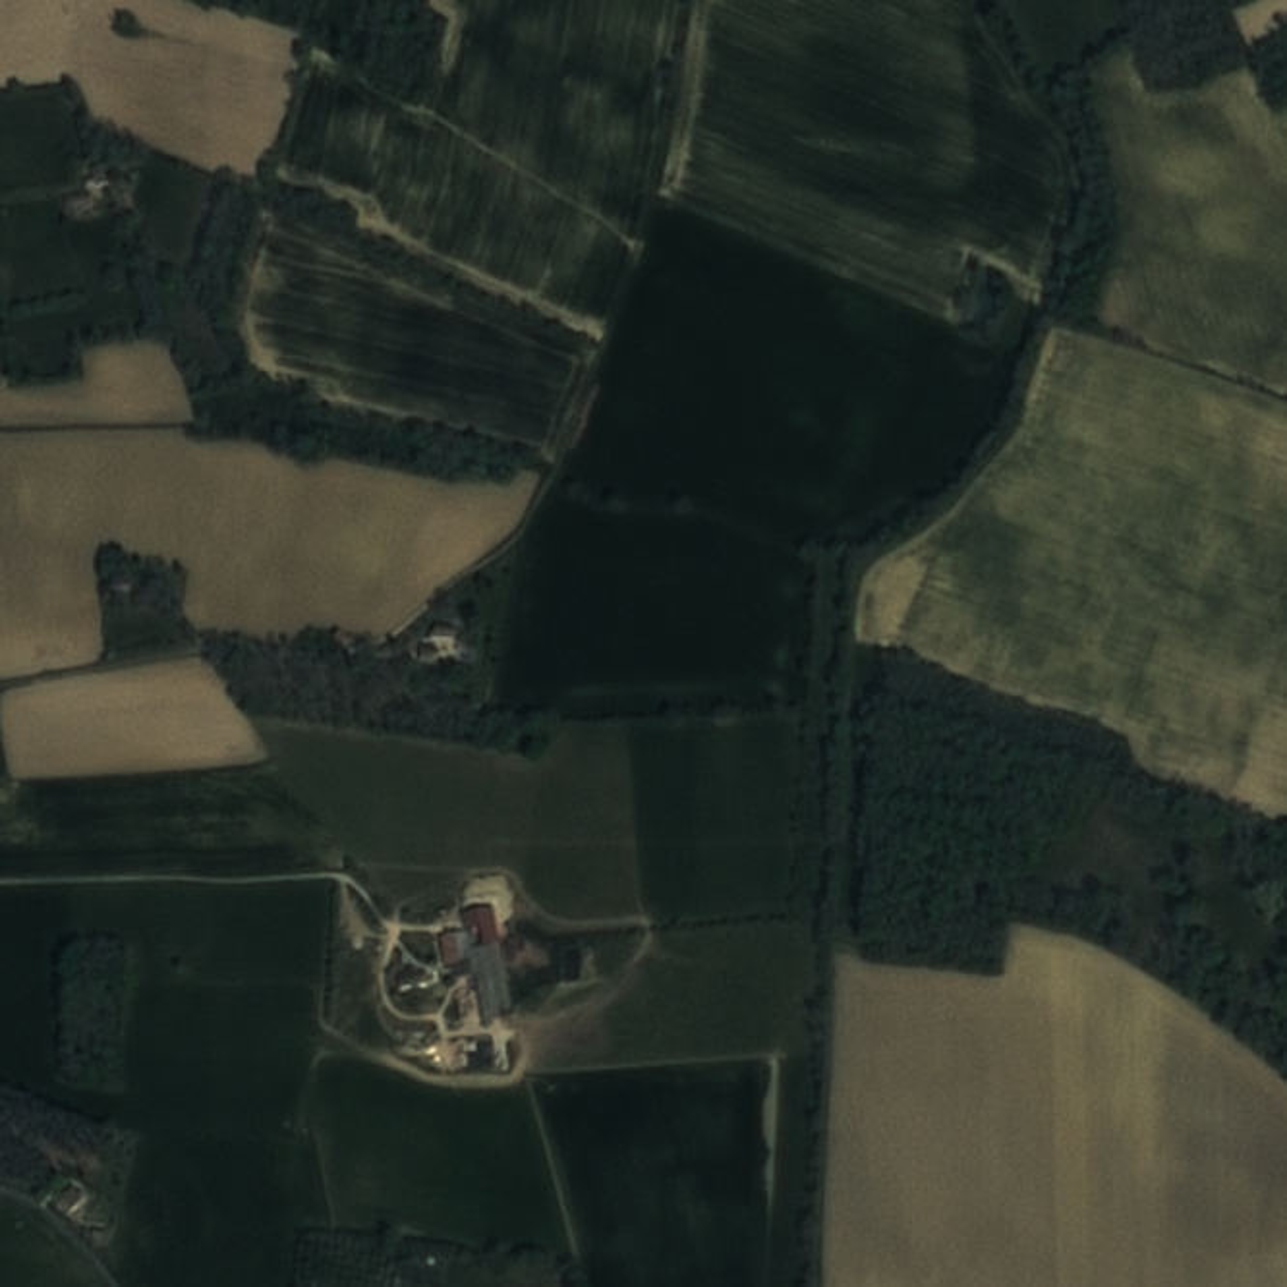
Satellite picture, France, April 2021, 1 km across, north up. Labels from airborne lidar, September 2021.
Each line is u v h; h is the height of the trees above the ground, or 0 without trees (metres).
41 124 0
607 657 0
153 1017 0
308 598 0
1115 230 19
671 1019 0
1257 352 0
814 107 0
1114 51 14
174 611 15
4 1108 16
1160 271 0
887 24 0
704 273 0
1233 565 0
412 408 0
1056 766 23
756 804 0
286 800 0
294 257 0
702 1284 0
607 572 0
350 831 0
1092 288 19
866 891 22
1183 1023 0
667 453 0
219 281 21
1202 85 12
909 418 0
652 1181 0
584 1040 0
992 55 0
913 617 0
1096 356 0
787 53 0
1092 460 0
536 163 0
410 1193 0
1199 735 0
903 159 0
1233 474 0
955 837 22
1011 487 0
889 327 0
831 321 0
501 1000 0
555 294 0
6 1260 0
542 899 0
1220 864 0
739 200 0
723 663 0
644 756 0
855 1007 0
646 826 0
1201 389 0
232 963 0
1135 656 0
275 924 0
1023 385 19
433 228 0
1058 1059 0
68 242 0
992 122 0
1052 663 0
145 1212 0
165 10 0
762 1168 0
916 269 0
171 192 0
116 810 0
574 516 0
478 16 0
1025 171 0
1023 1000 0
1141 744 0
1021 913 12
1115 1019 0
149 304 17
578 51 0
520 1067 0
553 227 0
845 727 15
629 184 0
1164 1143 0
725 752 0
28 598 0
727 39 0
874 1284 0
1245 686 0
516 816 0
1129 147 0
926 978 0
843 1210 0
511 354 0
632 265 0
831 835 14
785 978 0
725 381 0
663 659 0
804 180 0
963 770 25
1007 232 0
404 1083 0
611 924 0
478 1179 0
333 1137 0
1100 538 0
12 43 0
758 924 9
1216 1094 0
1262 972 0
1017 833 26
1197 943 15
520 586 0
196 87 0
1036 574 0
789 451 0
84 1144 15
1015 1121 0
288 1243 0
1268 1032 19
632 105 0
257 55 0
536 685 0
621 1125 0
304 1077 0
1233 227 0
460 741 14
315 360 0
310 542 0
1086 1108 0
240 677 19
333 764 0
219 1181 0
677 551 0
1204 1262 0
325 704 17
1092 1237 0
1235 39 14
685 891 0
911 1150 0
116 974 20
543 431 0
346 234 11
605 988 0
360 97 0
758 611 0
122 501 0
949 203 0
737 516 0
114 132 17
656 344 0
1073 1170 0
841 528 0
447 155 0
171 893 0
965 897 24
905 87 0
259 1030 0
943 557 0
